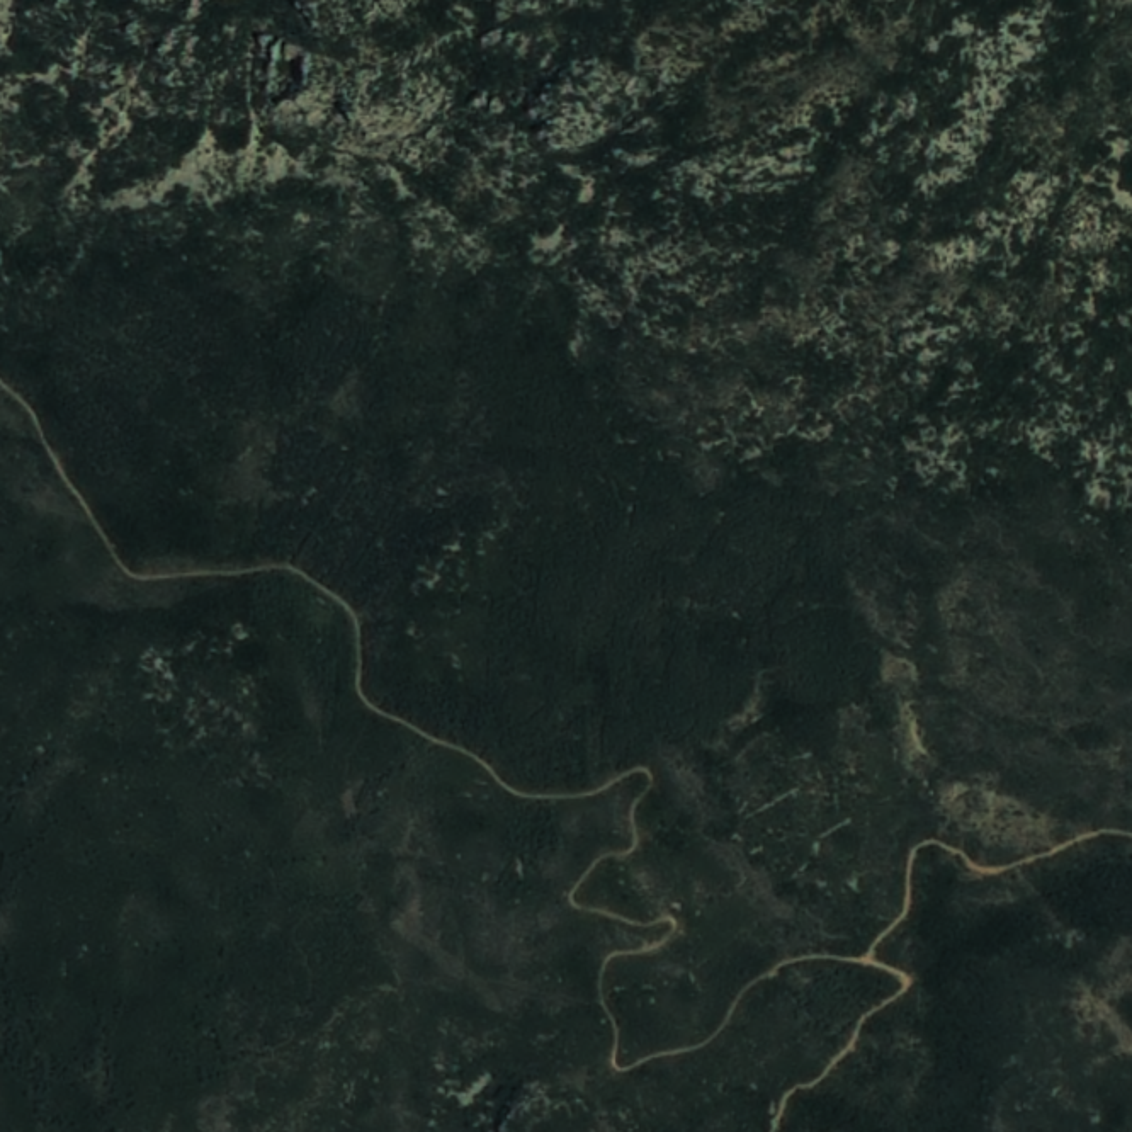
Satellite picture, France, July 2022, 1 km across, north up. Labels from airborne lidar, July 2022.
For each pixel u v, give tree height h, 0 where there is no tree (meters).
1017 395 8
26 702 0
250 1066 0
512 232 6
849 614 6
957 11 7
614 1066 0
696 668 7
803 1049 0
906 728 0
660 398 0
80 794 0
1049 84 6
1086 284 7
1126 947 0
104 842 0
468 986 0
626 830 0
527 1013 0
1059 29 6
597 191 6
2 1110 0
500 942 0
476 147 6
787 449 5
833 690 6
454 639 0
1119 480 5
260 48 11
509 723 7
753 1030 0
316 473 6
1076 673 0
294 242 0
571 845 0
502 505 0
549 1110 0
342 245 0
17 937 0
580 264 6
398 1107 0
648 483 6
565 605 6
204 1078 7
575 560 6
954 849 0
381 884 0
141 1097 0
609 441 7
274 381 7
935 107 8
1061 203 6
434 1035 0
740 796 0
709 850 0
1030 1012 0
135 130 7
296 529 8
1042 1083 0
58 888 0
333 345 6
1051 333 7
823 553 6
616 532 7
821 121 5
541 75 6
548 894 0
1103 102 6
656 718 7
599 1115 0
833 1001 9
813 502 7
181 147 7
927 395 5
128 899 0
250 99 6
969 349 7
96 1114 8
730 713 6
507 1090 10
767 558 7
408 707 8
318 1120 0
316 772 0
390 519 5
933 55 6
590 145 8
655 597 8
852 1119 7
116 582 0
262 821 0
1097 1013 0
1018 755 0
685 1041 0
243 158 0
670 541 6
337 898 6
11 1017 7
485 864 0
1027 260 7
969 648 0
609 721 7
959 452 6
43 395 6
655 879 0
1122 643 0
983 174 7
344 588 6
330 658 7
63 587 0
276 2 9
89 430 6
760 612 6
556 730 6
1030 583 0
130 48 6
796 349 7
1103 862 7
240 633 0
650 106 7
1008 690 0
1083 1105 0
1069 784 0
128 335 7
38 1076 8
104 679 0
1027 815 0
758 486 6
